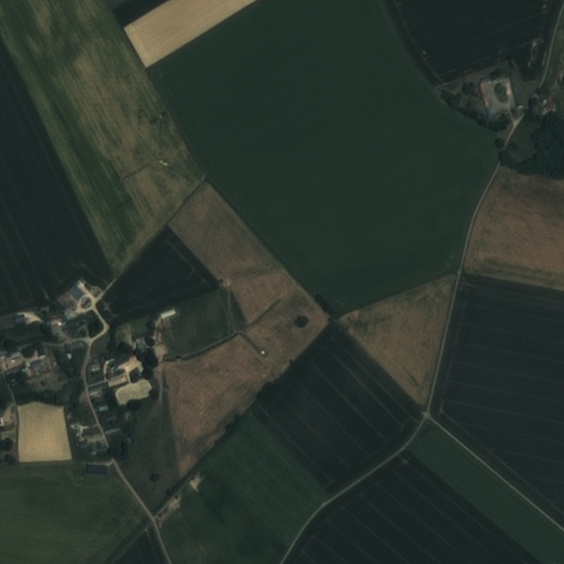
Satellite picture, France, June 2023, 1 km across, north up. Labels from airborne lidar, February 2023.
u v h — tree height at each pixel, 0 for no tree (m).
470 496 0
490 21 0
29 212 0
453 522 0
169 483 0
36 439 0
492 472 0
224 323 0
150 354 11
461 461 0
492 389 0
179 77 0
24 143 0
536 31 0
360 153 0
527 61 0
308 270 0
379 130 0
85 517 0
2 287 0
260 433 0
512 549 0
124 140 0
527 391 0
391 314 0
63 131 0
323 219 0
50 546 0
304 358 0
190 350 0
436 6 0
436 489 0
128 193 0
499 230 0
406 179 0
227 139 0
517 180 0
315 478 0
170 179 0
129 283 0
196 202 0
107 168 0
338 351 0
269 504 0
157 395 14
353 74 0
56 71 0
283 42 0
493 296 0
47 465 0
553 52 0
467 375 0
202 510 0
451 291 0
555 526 0
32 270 0
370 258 0
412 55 0
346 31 0
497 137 0
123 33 0
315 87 0
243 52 0
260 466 0
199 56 0
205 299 0
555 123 18
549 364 0
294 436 0
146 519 0
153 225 0
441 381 0
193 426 0
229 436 0
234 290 0
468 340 0
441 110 0
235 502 0
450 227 0
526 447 0
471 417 0
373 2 0
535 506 0
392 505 0
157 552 0
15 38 0
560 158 22
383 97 0
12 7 0
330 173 0
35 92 0
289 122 0
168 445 0
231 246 0
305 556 0
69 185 0
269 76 0
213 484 0
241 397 0
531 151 0
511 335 0
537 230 0
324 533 0
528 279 0
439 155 0
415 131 0
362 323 0
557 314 0
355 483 0
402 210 0
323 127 0
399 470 0
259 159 0
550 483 0
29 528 0
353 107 0
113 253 0
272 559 0
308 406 0
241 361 0
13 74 0
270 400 0
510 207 0
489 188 0
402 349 0
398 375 0
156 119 0
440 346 0
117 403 11
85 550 0
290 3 0
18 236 0
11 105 0
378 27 0
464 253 0
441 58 0
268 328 0
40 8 0
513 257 0
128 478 0
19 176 0
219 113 0
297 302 0
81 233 0
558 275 0
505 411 0
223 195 0
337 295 0
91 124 0
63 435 0
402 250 0
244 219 0
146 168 0
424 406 0
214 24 0
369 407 0
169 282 0
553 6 0
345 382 0
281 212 0
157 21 0
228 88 0
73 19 0
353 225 0
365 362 0
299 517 0
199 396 0
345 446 0
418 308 0
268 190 0
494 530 0
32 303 0
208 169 0
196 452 0
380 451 0
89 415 0
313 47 0
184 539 0
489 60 0
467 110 6
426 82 0
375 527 0
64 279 0
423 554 0
